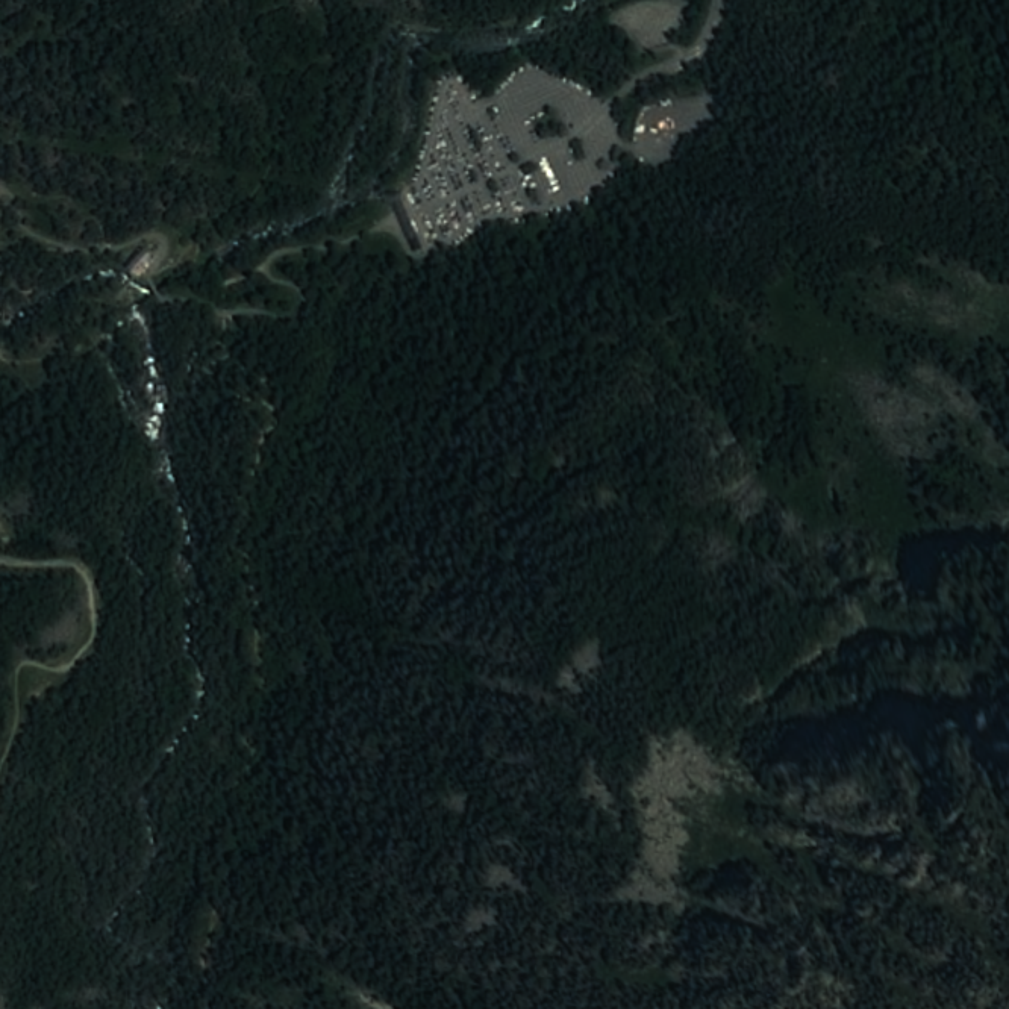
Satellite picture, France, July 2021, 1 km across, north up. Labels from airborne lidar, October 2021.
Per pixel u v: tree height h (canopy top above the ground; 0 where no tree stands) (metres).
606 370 19
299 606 19
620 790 10
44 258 20
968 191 28
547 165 0
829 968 9
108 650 20
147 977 16
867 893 8
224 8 20
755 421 15
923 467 27
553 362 15
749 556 8
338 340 10
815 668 11
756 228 17
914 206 23
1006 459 0
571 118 0
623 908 13
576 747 9
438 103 0
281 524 19
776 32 18
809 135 16
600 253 22
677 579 9
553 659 8
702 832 0
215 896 25
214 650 16
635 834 8
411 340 17
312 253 15
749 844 0
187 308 10
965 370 21
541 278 17
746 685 6
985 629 20
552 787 9
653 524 7
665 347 29
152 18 14
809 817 0
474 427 18
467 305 19
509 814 7
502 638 11
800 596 10
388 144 20
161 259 0
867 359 0
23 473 21
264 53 20
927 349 17
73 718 24
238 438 23
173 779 17
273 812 22
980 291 0
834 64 12
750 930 6
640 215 27
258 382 18
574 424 13
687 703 7
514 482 16
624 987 15
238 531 24
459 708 16
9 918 18
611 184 19
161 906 19
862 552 9
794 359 14
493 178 7
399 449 12
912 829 11
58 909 16
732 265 25
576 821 8
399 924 13
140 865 16
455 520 18
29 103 22
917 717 0
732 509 10
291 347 8
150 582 11
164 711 17
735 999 7
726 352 24
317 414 8
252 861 26
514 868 12
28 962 7
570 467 21
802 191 21
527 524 16
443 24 15
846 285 10
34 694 0
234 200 15
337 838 31
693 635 18
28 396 12
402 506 29
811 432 20
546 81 0
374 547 13
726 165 15
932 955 0
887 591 0
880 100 11
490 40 0
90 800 15
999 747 0
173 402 10
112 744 14
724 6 6
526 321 24
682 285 19
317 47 11
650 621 7
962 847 9
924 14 16
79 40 13
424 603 19
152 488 12
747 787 0
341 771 16
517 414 17
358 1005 0
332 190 0
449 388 8
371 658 33
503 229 23
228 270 27
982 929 0
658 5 0
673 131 0
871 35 15
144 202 15
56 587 14
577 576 13
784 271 20
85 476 24
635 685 12
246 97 8
